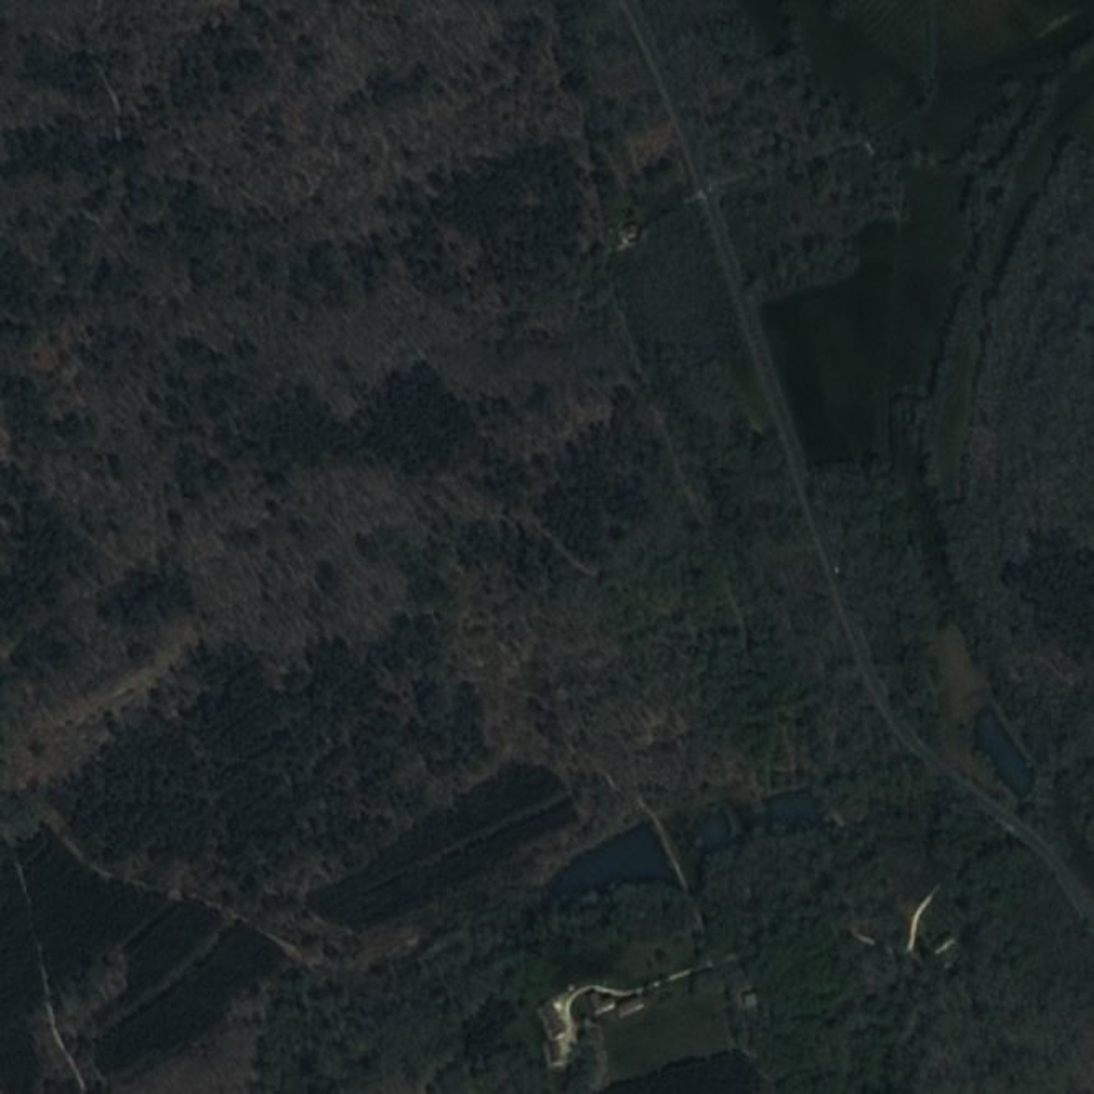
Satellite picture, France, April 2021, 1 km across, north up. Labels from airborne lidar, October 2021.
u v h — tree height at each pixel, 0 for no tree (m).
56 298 10
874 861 9
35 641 11
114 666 19
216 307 13
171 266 14
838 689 20
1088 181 20
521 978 23
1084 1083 18
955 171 9
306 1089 11
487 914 11
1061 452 24
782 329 0
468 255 8
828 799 26
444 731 25
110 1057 13
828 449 0
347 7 22
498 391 10
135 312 12
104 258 12
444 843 9
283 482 11
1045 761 15
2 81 15
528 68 24
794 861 22
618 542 15
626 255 12
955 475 0
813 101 17
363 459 22
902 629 19
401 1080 17
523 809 12
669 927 17
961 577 17
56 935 14
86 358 18
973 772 0
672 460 21
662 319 15
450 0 14
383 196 14
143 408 17
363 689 20
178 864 21
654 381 19
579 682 15
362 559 21
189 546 20
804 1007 19
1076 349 21
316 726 19
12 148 19
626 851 0
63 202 11
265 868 14
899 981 14
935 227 0
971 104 0
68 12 15
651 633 11
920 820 13
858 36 0
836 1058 23
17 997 13
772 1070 22
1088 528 23
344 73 12
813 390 0
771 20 0
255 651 17
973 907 19
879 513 22
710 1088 11
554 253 17
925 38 0
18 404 26
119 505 10
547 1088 11
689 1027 0
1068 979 23
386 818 8
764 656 22
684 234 13
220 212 12
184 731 9
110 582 16
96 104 16
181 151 15
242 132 6
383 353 16
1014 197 0
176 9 11
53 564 27
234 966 12
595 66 23
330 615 17
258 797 23
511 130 11
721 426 25
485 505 27
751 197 8
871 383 0
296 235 10
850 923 18
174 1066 21
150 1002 8
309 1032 12
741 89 20
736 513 25
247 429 17
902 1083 7
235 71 22
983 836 25
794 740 18
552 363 13
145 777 19
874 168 13
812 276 19
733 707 21
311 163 9
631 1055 0
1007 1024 21
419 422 23
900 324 0
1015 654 17
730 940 16
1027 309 10
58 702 18
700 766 21
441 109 15
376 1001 5
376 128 10
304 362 19
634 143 24
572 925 24
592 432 0
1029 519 15
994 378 11
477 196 27
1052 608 28
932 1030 20
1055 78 10
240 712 22
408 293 14
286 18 12
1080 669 16
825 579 21
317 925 6
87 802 21
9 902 11
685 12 16
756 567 18
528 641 9
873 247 0
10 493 25
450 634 16
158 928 14
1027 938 21
